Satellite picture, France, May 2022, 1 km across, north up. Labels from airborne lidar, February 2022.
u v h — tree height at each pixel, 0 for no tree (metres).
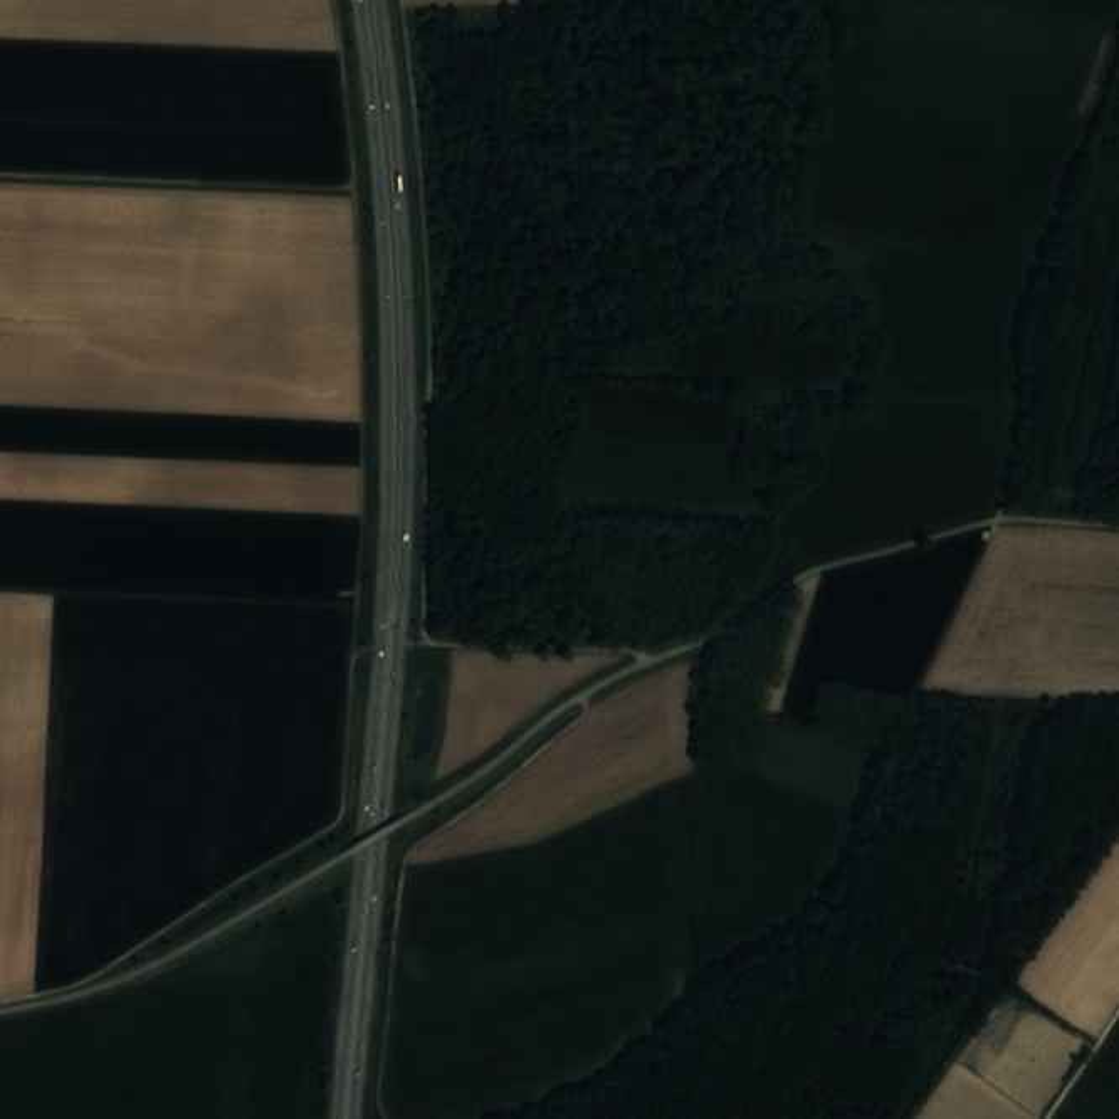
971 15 0
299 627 0
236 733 0
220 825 0
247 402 0
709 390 22
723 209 15
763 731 0
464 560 15
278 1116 0
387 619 0
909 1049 21
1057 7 0
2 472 0
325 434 0
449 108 16
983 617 0
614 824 0
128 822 0
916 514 0
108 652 0
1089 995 0
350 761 0
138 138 0
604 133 26
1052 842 29
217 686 0
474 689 0
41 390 0
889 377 0
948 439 0
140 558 0
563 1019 0
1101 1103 0
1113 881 0
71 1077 0
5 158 0
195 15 0
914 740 15
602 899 0
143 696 0
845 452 0
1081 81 0
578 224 28
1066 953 0
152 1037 0
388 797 0
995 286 0
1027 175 0
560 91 27
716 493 0
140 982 0
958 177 0
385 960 0
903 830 24
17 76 0
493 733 0
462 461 15
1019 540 0
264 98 0
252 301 0
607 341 30
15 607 0
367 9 0
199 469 0
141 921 0
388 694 0
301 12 0
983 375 0
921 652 0
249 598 0
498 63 21
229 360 0
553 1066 0
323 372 0
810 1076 26
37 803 0
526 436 14
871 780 26
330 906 0
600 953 0
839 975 32
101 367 0
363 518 0
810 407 20
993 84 0
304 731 0
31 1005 0
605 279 20
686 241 12
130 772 0
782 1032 30
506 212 27
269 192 0
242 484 0
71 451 0
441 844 0
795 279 21
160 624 0
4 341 0
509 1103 0
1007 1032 0
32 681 0
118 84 0
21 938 0
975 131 0
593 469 0
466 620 17
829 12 23
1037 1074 0
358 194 0
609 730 0
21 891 0
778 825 0
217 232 0
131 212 0
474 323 12
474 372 21
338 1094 0
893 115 0
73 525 0
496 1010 0
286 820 0
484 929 0
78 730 0
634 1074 22
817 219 0
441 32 13
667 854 0
